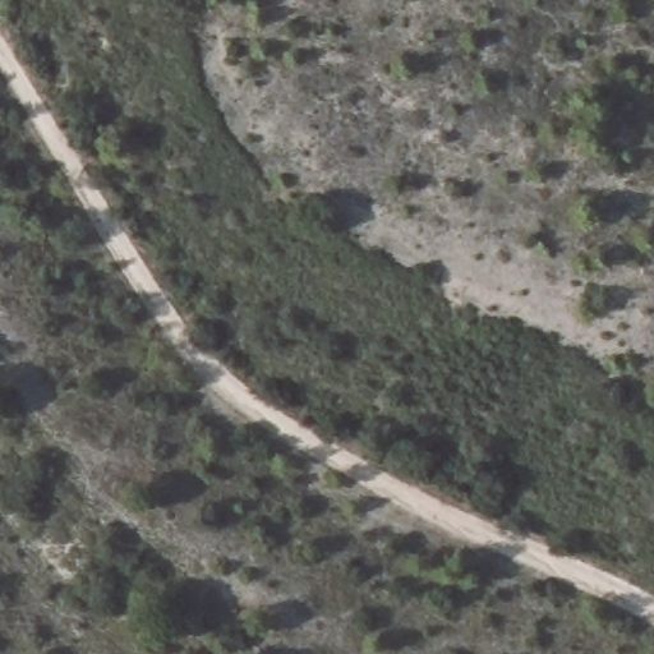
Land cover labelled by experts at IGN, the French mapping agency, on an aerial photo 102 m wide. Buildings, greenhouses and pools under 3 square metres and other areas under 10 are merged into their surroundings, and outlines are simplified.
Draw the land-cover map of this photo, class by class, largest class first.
<instances>
[{"label":"brushwood","instance_id":"1","mask_svg":"<svg viewBox=\"0 0 654 654\"><path fill-rule=\"evenodd\" d=\"M217 23L225 28L230 43L225 59L227 64L245 72L253 61H263L268 66L281 69H294L296 59L284 51L281 59H276L263 51V46L268 38L289 41L291 31L284 20L261 26L258 5L248 0H0V31L10 41L15 59L28 69L36 92L46 102V110L54 115L56 125L64 130L66 143L82 156V166L89 176V184L105 194L107 212L115 220L125 222L128 235L135 243L143 263L148 266L153 278L171 291V304L181 314L184 330L197 350L227 363L232 376L240 378L255 399L266 401L273 409H281L301 427L312 429L319 439L345 445L347 452L378 462L383 473L404 483L419 485L424 493L439 498L442 503L478 513L480 519L493 521L501 531L536 536L557 557L585 559L611 575H618L654 593V376H644L646 358L639 353L595 358L580 345H565L557 332L531 327L519 317H485L475 304L452 307L445 296L447 268L439 261L404 266L386 248L363 245L358 227L332 232V209L322 202V192H304L296 174L266 176L261 158L250 153L230 130L204 69V56L215 46V36L207 33V26ZM493 0H460L462 13H468L465 23H470L478 31L488 26V8ZM590 72L598 84H575L567 87V95H557L552 100L557 115L549 123L536 125L539 130L536 135H531V151L526 153V164L519 171L506 174L508 181L539 176L559 179L567 171V161L572 164L588 158L603 174L588 179L590 189H575L580 199L570 207L567 217L577 230H590V220L608 225L618 222L621 217H628L631 222L644 220L649 194L621 192L626 186V179L621 174L639 171L641 166L646 171H654V64L644 54H618L593 61ZM97 209H87L77 199L64 164H59L49 153L46 143L41 141L33 125L31 107L15 97L8 74L0 69V261L13 258L18 253L31 266L43 268V281L46 286H51L49 299H43V312L49 319L43 332H49L56 340V355L46 358L41 368L51 376V383L56 388L54 404L61 409L66 419L74 422V434L79 439H87L97 450L123 447L133 450L135 455L133 465L120 468L115 478H107L100 485L107 496H112L120 506H125L133 513L148 511V501L141 493L153 480V475L192 470L197 480L204 483V493L189 501L199 511L204 529L220 531L243 524L245 529L261 526L263 531L266 552H258L253 565L222 557L217 559L222 572L238 575L245 582H258L268 590H278L286 600H304L312 616H332L340 611H353V616H360L368 605H383L381 590H391L393 595L406 600L424 595L432 605L442 611V616L434 626L419 631L422 644H427L434 636L455 634V623L462 616V611L475 605L478 600L483 605H498L501 600L521 598L519 588L496 590L491 582L501 577H513V572L521 565L511 559L498 544H468L462 539H455L439 547L445 557H457L460 565L475 577L473 588L462 590L442 582L416 580L411 575H404L401 567H396V559L401 554L391 549V544L401 534L391 526H376L370 531L355 534H350L347 529H335L332 524L340 508L330 503L324 513L304 519L301 501L312 493L309 483L314 480V457L296 445L294 437L281 434L268 422H230L225 414H220L212 406V399L207 396L209 386L217 381L212 370L202 363L184 360L176 353L171 337L158 324V309L153 307L151 296L146 291H135L125 278V261H118L110 253L107 240L97 230ZM291 539H304L312 544V559L301 572L291 570L284 559L281 547L291 544ZM416 105L411 97H399L393 110H411L406 115V125H429L427 110H414ZM447 189L452 192V197H475L480 192V181L447 176ZM544 245L549 255L562 253L559 238L544 222H539V230L529 235L524 248H529ZM577 261L585 271L605 273L611 268L603 263L598 248H585V253L577 255ZM605 286L588 284L582 294V322L590 324L593 319L608 314L603 312ZM598 621H611L623 634H644L654 639V623L646 616H639L634 608H628L618 595H603L595 603Z\"/></svg>","mask_w":654,"mask_h":654},{"label":"herbaceous vegetation","instance_id":"2","mask_svg":"<svg viewBox=\"0 0 654 654\"><path fill-rule=\"evenodd\" d=\"M258 5L261 26L284 20L291 31L289 41L268 38L263 46V51L276 59H281L284 51L296 59L294 69H281V77H286L299 89L294 107L289 112L296 115L307 130H314L319 138H324V146L319 148V166L324 171L345 166L347 179L342 184L347 189L368 192L373 207H383L391 215L432 222L442 230L475 227L480 230L475 243L496 238L498 250H511V255L524 248L529 235L539 230V222H544L559 238L562 253L549 255L544 245L529 248L534 266L544 271V278L549 284H567L580 289L582 294L588 284L605 286L603 312L608 314L616 309H636L649 317V335L639 353L646 358L644 376H654V171H646L641 166L639 171L621 174L626 179V186L621 192L649 194L644 220L631 222L628 217H621L618 222L608 225L590 220V230H577L567 217L570 207L580 199L575 189H590L588 179L603 174L588 158L572 164L567 161V171L559 179L539 176L508 181L506 174L519 171L526 164V153L531 151V135H536L539 130L536 125L549 123L557 115L552 100L557 95H567V87L575 84H598L590 72L593 61L618 54H644L654 64V0H493L488 8V26L478 31L470 23H465L468 13H462L460 0H248ZM399 97H411L416 105L414 110H427L429 125H406V115L411 110H393ZM447 176L480 181V192L475 197H452V192L447 189ZM585 248H598L603 263L611 268L605 273L585 271L577 261V255L585 253ZM245 72L253 77L255 87H263L268 82V66L263 61H253ZM51 286H46L43 281V268L31 266L18 253L13 258L0 261V475H5L8 480L20 478L23 468L33 457L38 460V475L26 501L28 516L20 519L0 503V654H192V649L212 646L220 626L232 616H240V603L258 605L261 623L271 628L266 639H261L255 646L240 649L243 654H654V639L644 634H623L611 621H598L595 603L603 595L580 590L575 598L565 600V605L554 608L552 600L534 595L531 582L542 577L536 570L521 565L513 572V577H501L491 582L496 590L519 588L521 598L501 600L498 605H483L478 600L475 605L462 611V616L455 623V634L434 636L427 644H422L419 631L399 628L393 623L391 608L383 605H368L360 616H353V611H340L332 616H312L304 600H286L278 590H268L258 582H245L238 575L222 572L217 559L222 557L253 565L258 552H266L263 531L261 526L245 529L243 524L220 531L204 529L199 511L189 501L204 493V483L197 480L192 470L153 475V480L141 493L148 501V511L133 513L125 506H120L112 496H107L100 485L107 478H115L120 468L133 465L135 455L133 450L123 447L97 450L87 439H79L74 434V422L66 419L61 409L54 404L56 388L51 383V376L41 368L46 358L56 355V340L49 332H43L49 319L43 312V299H49ZM112 552L130 557L133 562H138L141 570L164 582V644L133 634L125 613L100 616L92 621L82 618V613L61 598L49 600V588L54 582L72 580L84 570L87 562H105ZM542 616L554 618V641L547 649H539L536 639V621ZM207 396L212 399V406L220 414H225L230 422H250L232 401H227L209 386ZM312 493L330 498V503L340 508L332 524L335 529H347L350 534H355L370 531L376 526H391L401 534L424 531L429 544L439 547L455 539L437 526H429L422 516L396 506L391 498L373 496L363 480H353L347 470L332 468L319 478L314 475V480L309 483Z\"/></svg>","mask_w":654,"mask_h":654},{"label":"bare soil","instance_id":"3","mask_svg":"<svg viewBox=\"0 0 654 654\"><path fill-rule=\"evenodd\" d=\"M207 33L215 36V46L204 56V69L230 130L250 153L261 158L266 176L296 174L304 192H322V202L332 209V232L358 227L363 245L386 248L404 266L439 261L447 268L445 296L452 307L475 304L485 317H519L531 327L557 332L565 345H580L595 358L639 353L649 335V317L636 309H616L608 314L593 319L590 324L582 322V294L580 289L567 284H549L544 278V271L534 266L529 248H524L511 255V250H498L496 238L475 243L480 230L475 227L442 230L432 222L391 215L383 207H373L368 192L347 189L342 184L347 179L345 166L324 171L319 166V148L324 146V138H319L314 130H307L296 115L289 112L294 107L299 89L286 77H281V69L268 66V82L263 87H255L253 77L245 72L227 64L225 59L230 43L225 28L217 23L207 26Z\"/></svg>","mask_w":654,"mask_h":654},{"label":"pervious surface","instance_id":"4","mask_svg":"<svg viewBox=\"0 0 654 654\"><path fill-rule=\"evenodd\" d=\"M0 69L8 74L15 97L31 107L33 125L41 141L46 143L49 153L59 164H64L77 199L87 209H97V230L107 240L110 253L118 261H125V278L135 291H146L151 296L153 307L158 309V324L171 337L176 353L184 360L202 363L212 370L217 381L209 386L227 401H232L250 422H268L281 434L294 437L296 445L314 457V475L319 478L332 468L347 470L353 480H363L373 496L391 498L396 506L422 516L429 526H437L455 539H462L468 544H498L511 559L521 565L536 570L542 577H562L580 590L603 595H618L628 608H634L639 616H646L654 623V593L618 575H611L585 559L557 557L536 536L501 531L493 521L480 519L478 513L442 503L439 498L424 493L419 485L404 483L383 473L378 462L347 452L345 445L319 439L312 429L301 427L281 409H273L266 401L255 399L240 378L232 376L227 363L197 350L184 330L181 314L171 304V291L153 278L148 266L143 263L135 243L128 235L125 222L115 220L107 212L105 194L89 184V176L82 166V156L66 143L64 130L56 125L54 115L46 110V102L36 92L28 69L15 59L10 41L0 31Z\"/></svg>","mask_w":654,"mask_h":654},{"label":"deciduous trees","instance_id":"5","mask_svg":"<svg viewBox=\"0 0 654 654\"><path fill-rule=\"evenodd\" d=\"M38 475V460L33 457L23 468L20 478L8 480L5 475H0V503L20 519L28 516L26 501ZM330 503V498L312 493L301 501L304 519L324 513ZM391 549L401 554L396 559V567H401L404 575H411L416 580L442 582L462 590L473 588L475 577L460 565L457 557H445L439 547L429 544L424 531L401 534L391 544ZM284 559L291 570L301 572L312 559V544L304 539H291V544L281 547ZM164 582L141 570L138 562H133L130 557L112 552L105 562H87L84 570L72 580L54 582L49 588V600L61 598L82 613V618L92 621L100 616L125 613L133 634L164 644ZM534 595L552 600L554 608L565 605V600L575 598L580 590L562 577H542L531 582ZM383 605L391 608L393 623L399 628L419 631L434 626L442 616V611L432 605L424 595L406 600L393 595L391 590H381ZM271 628L261 623L258 605L240 603V616H232L220 626L212 646L192 649V654H243L240 649L255 646L261 639H266ZM554 618L542 616L536 621V639L539 649H547L554 641Z\"/></svg>","mask_w":654,"mask_h":654}]
</instances>
